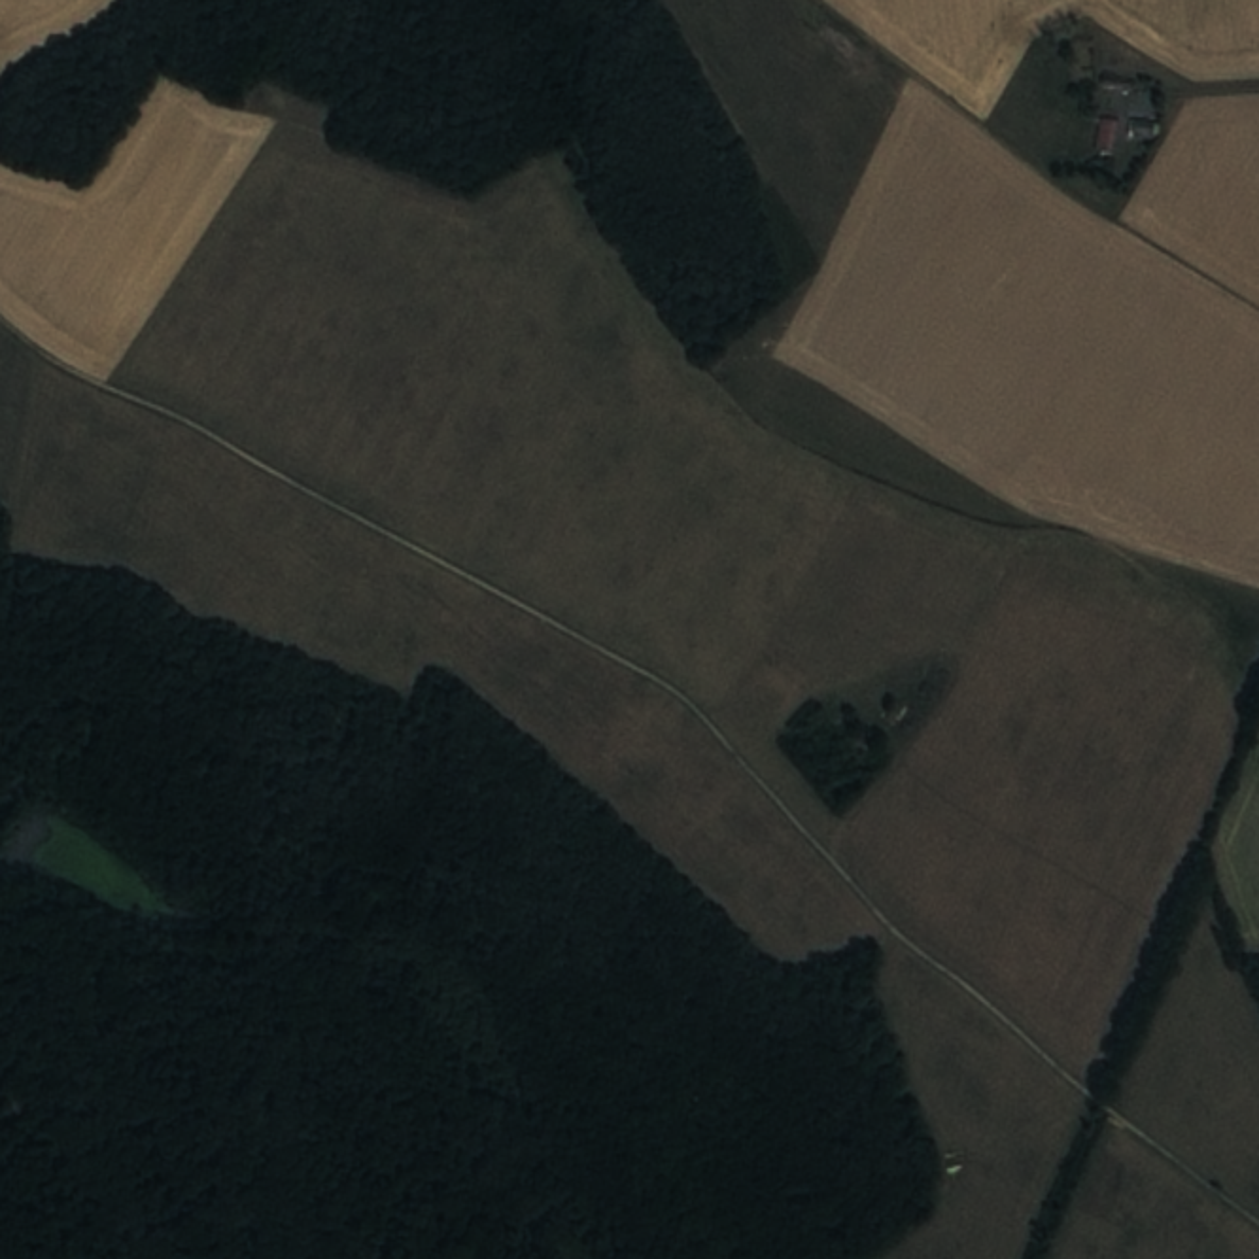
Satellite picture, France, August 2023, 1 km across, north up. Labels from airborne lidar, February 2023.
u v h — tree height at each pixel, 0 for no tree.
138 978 23
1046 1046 0
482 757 20
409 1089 22
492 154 22
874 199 0
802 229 0
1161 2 0
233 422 0
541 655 0
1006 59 0
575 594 0
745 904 0
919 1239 0
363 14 15
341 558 0
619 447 0
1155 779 0
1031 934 0
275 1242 26
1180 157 0
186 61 20
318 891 20
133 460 0
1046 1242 17
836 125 0
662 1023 19
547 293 0
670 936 20
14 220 0
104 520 0
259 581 0
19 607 19
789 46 0
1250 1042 0
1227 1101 0
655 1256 22
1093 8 0
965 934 0
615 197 15
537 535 0
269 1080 18
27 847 0
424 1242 16
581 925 21
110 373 0
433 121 20
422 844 11
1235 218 0
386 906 12
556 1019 18
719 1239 18
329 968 27
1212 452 0
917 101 0
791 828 0
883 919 0
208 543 0
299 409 0
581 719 0
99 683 19
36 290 0
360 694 10
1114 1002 0
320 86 18
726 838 0
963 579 0
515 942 25
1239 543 0
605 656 0
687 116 18
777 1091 19
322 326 0
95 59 19
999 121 0
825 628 0
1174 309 0
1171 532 0
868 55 0
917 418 0
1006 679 0
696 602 0
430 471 0
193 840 16
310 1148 19
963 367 0
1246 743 12
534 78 21
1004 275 0
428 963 8
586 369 0
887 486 0
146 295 0
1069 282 0
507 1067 10
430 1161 22
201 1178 24
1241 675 0
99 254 0
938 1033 0
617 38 18
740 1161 18
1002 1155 0
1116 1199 0
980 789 0
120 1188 24
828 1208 23
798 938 0
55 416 0
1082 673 0
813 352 0
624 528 0
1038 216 0
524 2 22
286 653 12
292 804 21
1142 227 0
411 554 0
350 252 0
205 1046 20
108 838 6
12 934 23
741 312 13
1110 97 0
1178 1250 0
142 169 0
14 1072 23
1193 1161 0
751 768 0
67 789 20
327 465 0
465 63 19
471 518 0
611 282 0
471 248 0
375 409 0
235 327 0
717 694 0
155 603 22
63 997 23
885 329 0
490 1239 20
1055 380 0
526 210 0
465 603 0
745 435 0
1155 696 0
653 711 0
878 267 0
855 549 0
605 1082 18
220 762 10
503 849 22
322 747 22
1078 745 0
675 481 0
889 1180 18
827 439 0
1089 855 0
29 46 0
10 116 19
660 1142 18
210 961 7
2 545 15
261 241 0
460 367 0
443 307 0
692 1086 22
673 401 0
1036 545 0
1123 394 0
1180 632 0
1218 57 0
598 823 23
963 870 0
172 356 0
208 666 15
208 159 0
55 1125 25
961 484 0
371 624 0
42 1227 23
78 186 12
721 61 0
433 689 12
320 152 0
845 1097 18
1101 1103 15
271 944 21
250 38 23
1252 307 0
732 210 15
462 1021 9
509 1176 23
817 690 0
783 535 0
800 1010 20
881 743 16
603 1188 18
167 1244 25
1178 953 13
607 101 19
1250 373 0
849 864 0
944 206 0
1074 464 0
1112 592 0
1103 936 0
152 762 9
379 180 0
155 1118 21
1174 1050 0
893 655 0
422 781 15
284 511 0
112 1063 23
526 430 0
